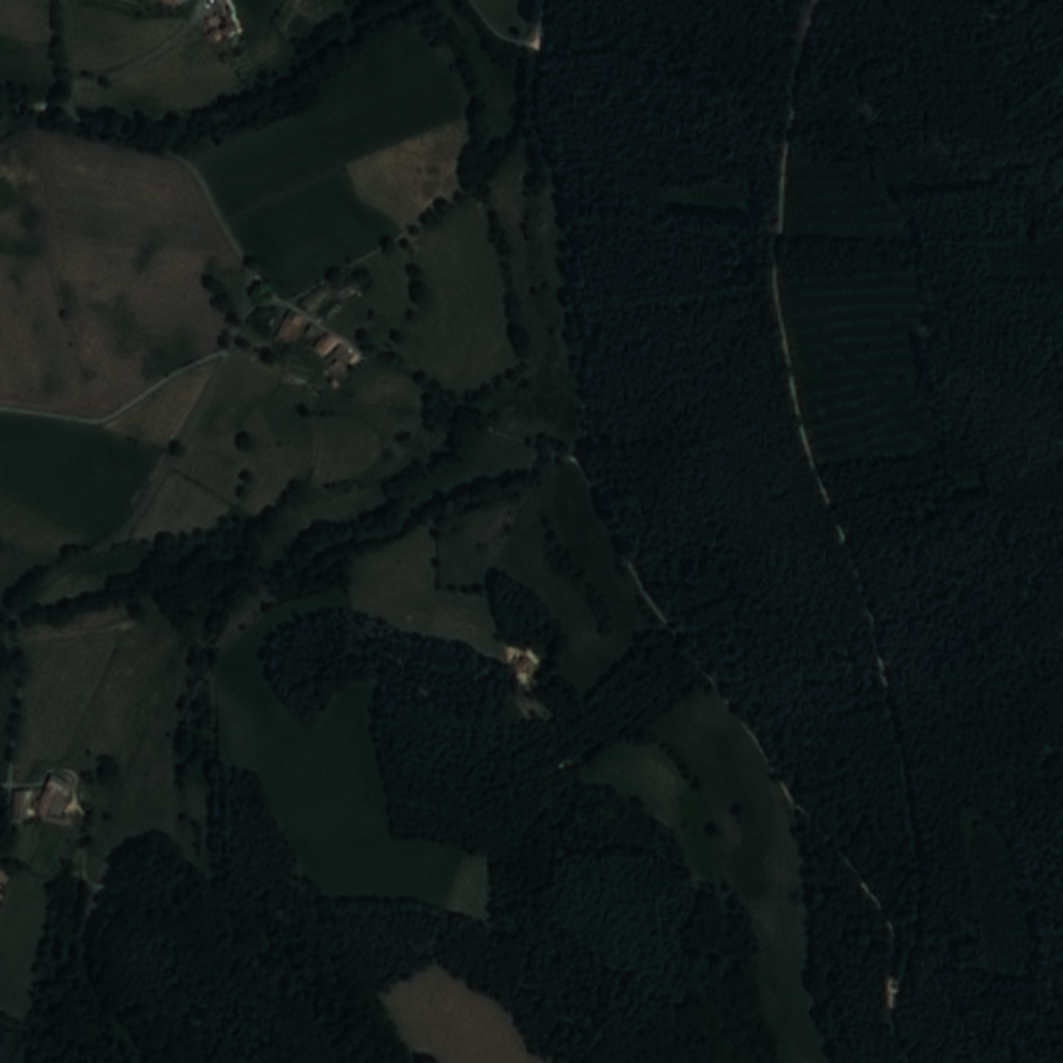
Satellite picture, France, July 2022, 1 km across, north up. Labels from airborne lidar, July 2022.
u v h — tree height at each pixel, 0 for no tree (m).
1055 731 15
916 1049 17
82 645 0
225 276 0
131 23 0
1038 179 13
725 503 18
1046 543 15
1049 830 17
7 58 0
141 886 23
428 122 0
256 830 18
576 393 0
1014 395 19
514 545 0
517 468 0
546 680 14
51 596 0
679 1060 24
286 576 18
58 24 18
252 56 0
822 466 9
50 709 0
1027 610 19
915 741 24
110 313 0
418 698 23
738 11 19
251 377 0
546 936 18
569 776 10
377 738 12
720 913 25
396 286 0
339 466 0
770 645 27
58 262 0
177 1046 21
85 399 0
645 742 12
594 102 30
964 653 29
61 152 0
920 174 7
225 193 0
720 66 19
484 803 17
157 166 0
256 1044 18
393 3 19
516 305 23
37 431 0
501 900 12
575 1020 15
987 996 20
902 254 13
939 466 19
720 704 0
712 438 19
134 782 0
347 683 10
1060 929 22
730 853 0
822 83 6
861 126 7
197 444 0
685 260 27
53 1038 23
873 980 19
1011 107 18
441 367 0
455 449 21
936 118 16
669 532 22
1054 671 15
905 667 18
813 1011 0
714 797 0
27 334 0
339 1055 15
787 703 17
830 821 17
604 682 13
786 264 12
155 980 20
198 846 11
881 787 25
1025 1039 20
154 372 0
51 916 8
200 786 0
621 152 26
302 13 0
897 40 13
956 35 12
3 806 13
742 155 21
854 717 26
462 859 0
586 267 27
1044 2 23
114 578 12
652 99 24
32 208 0
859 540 16
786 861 0
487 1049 0
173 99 0
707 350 21
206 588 20
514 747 6
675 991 22
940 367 25
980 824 7
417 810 8
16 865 11
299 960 20
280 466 0
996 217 20
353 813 0
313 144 0
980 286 22
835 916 21
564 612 0
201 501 0
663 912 27
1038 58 17
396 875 0
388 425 0
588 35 17
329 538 18
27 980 0
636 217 38
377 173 0
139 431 0
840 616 18
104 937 24
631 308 18
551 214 0
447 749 19
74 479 0
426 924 25
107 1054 16
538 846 12
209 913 30
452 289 0
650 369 22
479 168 25
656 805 0
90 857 0
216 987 22
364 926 22
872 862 21
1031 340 21
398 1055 20
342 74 6
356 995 21
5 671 12
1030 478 18
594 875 21
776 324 21
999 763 12
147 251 0
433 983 0
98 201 0
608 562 0
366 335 14
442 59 0
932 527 16
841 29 13
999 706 22
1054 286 19
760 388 17
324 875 0
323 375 0
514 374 16
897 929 12
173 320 0
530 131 29
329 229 0
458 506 14
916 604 19
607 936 23
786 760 20
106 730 0
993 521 19
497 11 0
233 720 0
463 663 29
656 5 22
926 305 8
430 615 0
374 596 0
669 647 8
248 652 0
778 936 0
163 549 16
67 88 16
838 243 18
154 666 0
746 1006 26
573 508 0
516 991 14
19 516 0
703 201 0
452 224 0
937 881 25
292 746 0
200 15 0
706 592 33
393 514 22
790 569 21
